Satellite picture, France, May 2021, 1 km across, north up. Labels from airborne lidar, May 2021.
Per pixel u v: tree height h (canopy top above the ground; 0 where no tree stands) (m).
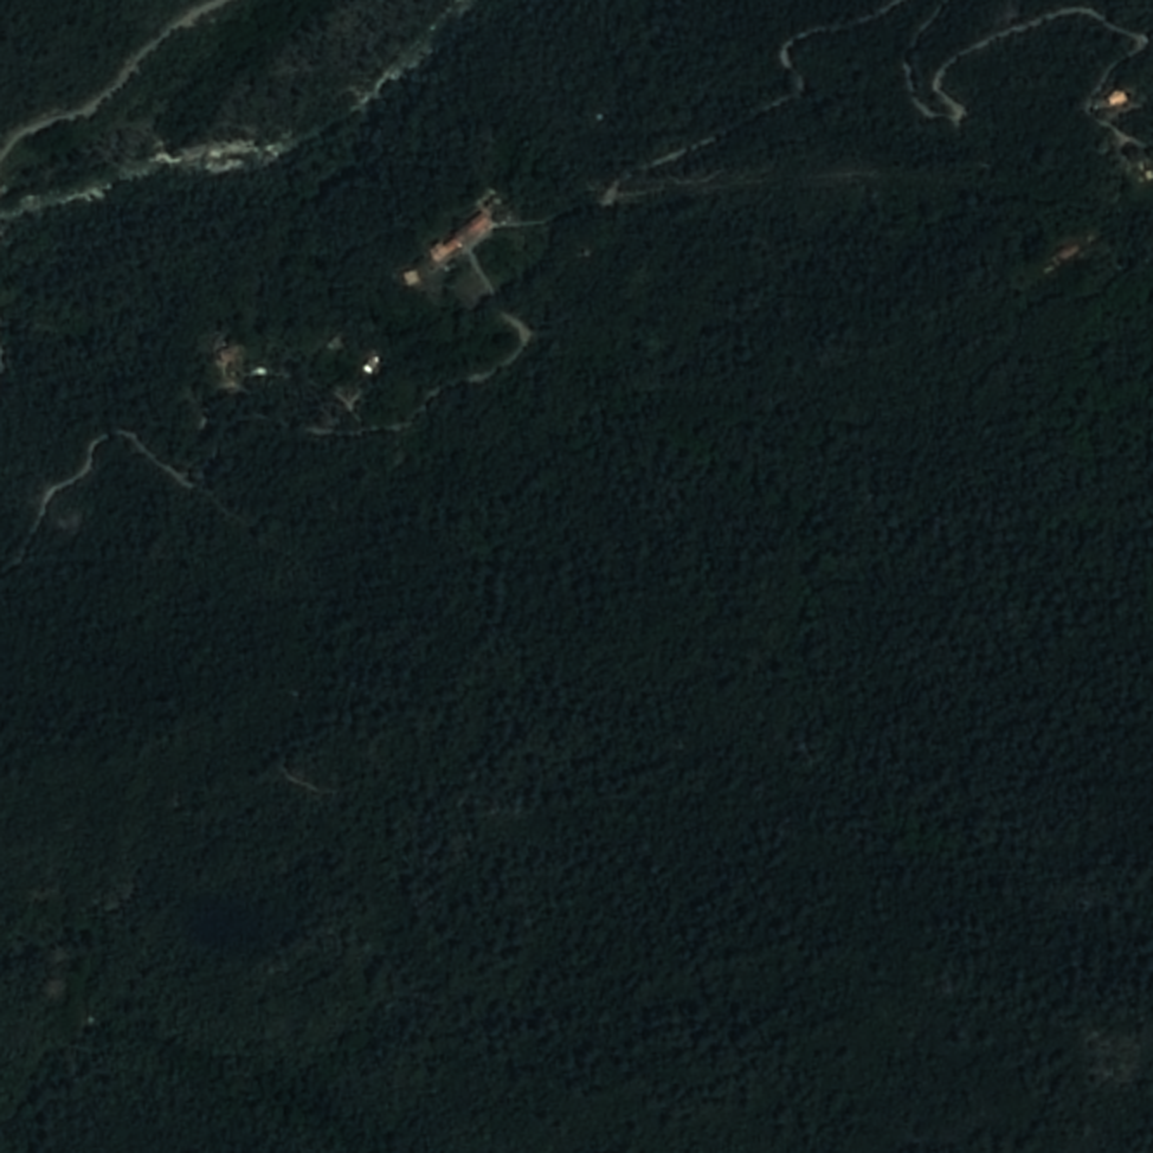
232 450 10
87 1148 9
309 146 13
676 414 19
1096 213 9
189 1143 11
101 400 8
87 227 11
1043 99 12
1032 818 22
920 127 15
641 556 21
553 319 14
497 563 10
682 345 17
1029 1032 14
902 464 12
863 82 20
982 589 13
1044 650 13
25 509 9
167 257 12
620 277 12
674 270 19
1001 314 10
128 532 11
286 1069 20
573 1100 6
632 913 18
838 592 15
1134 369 13
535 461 14
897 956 7
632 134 7
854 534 13
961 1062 6
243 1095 12
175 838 15
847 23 20
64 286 22
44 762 6
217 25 8
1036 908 9
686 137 13
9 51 7
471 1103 10
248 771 7
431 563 12
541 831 8
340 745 8
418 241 14
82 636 12
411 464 9
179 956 13
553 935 12
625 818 9
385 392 13
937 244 13
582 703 17
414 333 12
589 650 12
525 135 9
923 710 15
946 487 14
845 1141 11
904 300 18
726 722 7
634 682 13
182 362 14
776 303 13
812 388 12
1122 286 10
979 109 11
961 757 6
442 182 20
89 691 7
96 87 10
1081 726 14
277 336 16
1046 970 7
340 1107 17
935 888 10
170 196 11
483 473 10
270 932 6
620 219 22
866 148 12
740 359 7
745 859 9
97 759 9
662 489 26
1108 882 9
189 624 12
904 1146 6
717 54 6
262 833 11
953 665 19
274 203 15
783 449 14
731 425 17
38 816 11
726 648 12
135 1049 12
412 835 12
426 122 19
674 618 12
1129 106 6
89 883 10
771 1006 6
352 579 12
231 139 9
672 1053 8
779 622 14
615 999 12
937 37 8
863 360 9
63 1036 6
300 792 8
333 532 9
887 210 8
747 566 15
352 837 11
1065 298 14
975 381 14
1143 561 14
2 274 6
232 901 12
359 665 10
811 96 18
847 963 9
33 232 10
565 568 26
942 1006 6
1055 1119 25
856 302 13
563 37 8
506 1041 19
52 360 14
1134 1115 7
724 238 13
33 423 10
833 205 6
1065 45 13
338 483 8
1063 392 13
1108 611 11
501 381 6
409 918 10
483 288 0
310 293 7
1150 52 11
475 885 9
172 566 13
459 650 13
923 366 18
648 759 8
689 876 11
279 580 8
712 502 19
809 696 18
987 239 20
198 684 15
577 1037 11
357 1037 22
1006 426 12
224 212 12
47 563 6
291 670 12
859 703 13
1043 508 7
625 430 9
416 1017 6
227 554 9
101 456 8
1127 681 17
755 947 6
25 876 10
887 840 15
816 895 12
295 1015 6
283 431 18
